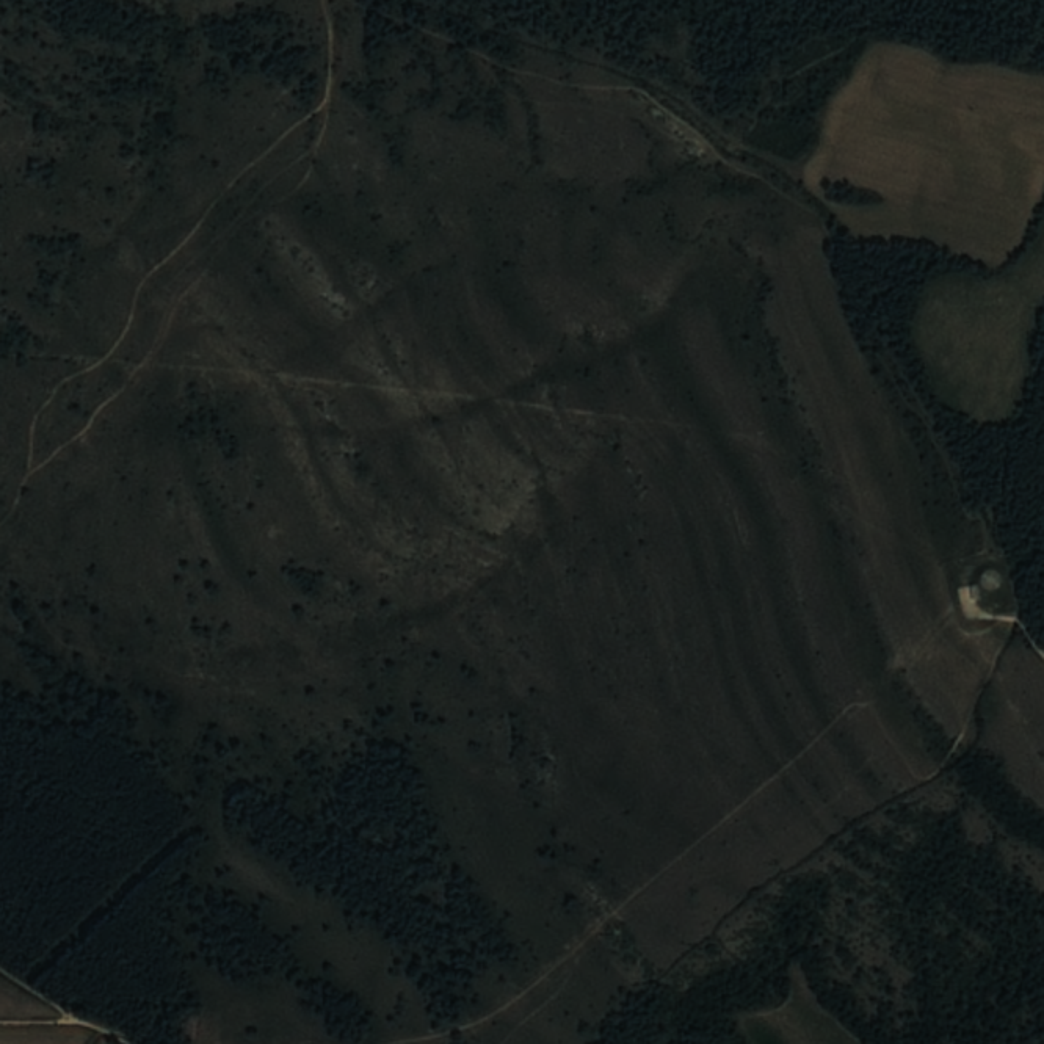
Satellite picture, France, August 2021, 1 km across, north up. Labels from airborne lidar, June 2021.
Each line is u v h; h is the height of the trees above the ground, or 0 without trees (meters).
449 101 0
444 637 0
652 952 0
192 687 0
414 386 0
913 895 10
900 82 0
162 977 16
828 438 0
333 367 0
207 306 0
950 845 11
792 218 0
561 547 0
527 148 0
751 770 0
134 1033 13
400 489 0
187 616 0
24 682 0
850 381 0
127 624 0
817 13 8
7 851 17
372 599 0
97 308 0
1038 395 13
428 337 0
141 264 0
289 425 0
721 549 0
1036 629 12
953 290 0
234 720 0
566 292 0
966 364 0
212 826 0
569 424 0
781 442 0
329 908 0
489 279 0
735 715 0
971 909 13
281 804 7
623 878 0
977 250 0
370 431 0
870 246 12
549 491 0
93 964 16
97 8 13
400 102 0
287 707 0
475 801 0
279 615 0
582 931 0
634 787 0
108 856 13
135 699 0
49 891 14
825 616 0
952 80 0
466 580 0
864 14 9
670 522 0
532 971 0
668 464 0
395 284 0
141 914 15
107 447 0
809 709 0
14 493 0
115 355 0
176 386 0
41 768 15
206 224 0
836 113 0
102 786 14
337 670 0
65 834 16
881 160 0
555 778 0
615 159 0
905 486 0
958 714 0
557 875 0
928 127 0
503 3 11
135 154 9
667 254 0
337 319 0
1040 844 8
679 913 0
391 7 9
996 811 6
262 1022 0
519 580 0
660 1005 7
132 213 0
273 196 0
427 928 12
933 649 0
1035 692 0
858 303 12
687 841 0
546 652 0
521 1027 0
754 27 12
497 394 0
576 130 0
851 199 11
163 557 0
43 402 0
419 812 6
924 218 0
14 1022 0
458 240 0
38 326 0
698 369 0
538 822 0
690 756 0
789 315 0
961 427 12
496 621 0
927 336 0
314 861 12
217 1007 0
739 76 14
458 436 0
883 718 0
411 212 0
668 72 6
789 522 0
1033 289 0
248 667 0
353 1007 10
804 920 6
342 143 0
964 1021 10
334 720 0
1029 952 14
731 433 0
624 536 0
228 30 10
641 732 0
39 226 0
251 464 0
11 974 10
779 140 0
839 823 0
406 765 9
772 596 0
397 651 0
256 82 0
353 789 14
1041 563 15
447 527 0
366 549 0
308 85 6
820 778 0
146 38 9
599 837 0
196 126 0
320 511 0
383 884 18
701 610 0
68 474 0
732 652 0
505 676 0
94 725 12
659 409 0
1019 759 0
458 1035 8
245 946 13
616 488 0
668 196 0
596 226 0
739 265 0
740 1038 7
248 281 0
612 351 0
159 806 15
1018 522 12
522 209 0
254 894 0
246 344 0
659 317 0
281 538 0
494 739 0
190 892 11
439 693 0
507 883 0
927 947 8
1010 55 9
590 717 0
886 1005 7
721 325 0
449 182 0
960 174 0
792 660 0
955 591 0
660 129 0
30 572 0
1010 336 0
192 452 0
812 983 11
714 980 7
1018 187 0
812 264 0
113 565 0
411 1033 0
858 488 0
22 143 0
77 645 0
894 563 0
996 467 14
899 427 0
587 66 0
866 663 0
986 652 0
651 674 0
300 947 0
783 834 0
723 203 0
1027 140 0
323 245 0
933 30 13
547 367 0
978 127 0
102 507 0
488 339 0
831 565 0
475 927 10
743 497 0
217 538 0
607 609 0
